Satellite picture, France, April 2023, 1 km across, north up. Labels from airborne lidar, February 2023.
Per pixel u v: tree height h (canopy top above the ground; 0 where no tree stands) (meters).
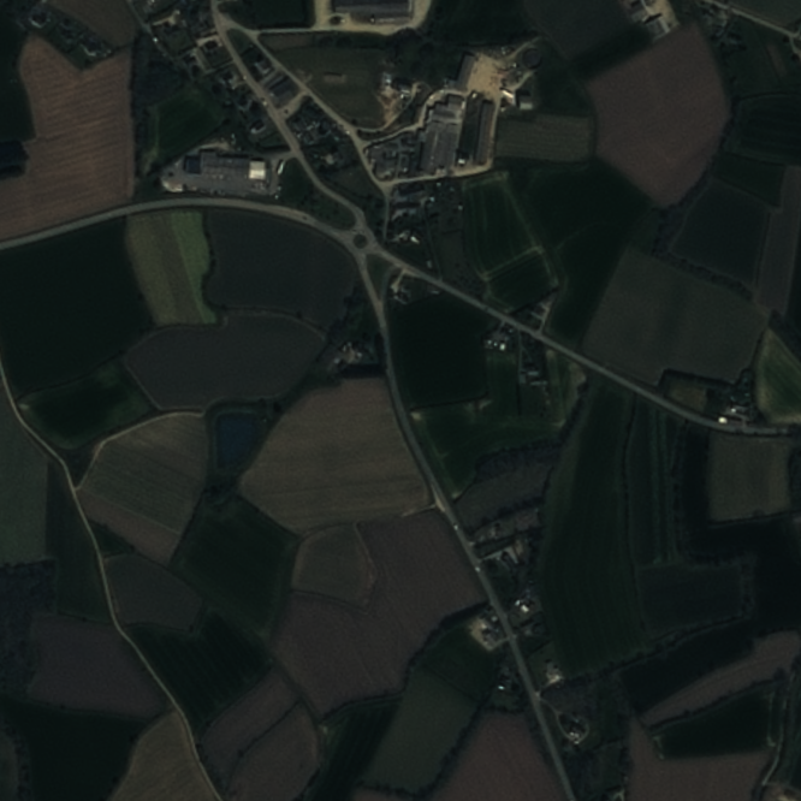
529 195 0
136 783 0
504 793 0
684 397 0
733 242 0
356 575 0
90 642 0
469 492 0
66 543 0
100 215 0
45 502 0
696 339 0
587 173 0
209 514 0
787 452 0
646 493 0
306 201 5
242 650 0
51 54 0
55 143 0
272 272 0
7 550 0
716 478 0
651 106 0
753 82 0
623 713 9
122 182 0
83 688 0
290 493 0
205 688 0
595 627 0
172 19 0
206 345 0
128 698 0
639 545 0
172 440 0
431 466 0
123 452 0
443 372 0
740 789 0
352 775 0
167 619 0
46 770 0
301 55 0
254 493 0
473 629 0
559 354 0
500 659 6
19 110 0
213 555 0
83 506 0
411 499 0
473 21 0
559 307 0
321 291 0
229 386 0
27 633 13
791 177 0
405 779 0
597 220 0
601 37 0
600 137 0
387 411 0
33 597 16
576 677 0
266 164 0
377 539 0
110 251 0
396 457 0
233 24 0
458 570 0
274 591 0
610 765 0
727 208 0
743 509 0
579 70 0
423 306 0
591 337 0
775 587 0
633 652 0
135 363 0
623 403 0
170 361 0
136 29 0
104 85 0
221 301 0
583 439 0
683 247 0
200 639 0
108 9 0
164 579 0
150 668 0
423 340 0
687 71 0
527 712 10
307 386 0
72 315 0
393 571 0
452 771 7
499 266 0
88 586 0
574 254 0
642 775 0
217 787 14
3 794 0
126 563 0
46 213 0
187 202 0
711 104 0
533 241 0
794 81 0
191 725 0
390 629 0
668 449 0
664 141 0
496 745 0
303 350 0
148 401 0
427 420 0
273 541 0
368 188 0
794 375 0
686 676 0
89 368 0
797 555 0
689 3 0
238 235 0
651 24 0
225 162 0
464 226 0
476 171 0
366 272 0
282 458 0
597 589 0
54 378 0
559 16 0
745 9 0
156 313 0
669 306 0
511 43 8
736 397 11
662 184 0
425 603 0
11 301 0
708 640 0
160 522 0
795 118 0
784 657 0
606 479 0
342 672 0
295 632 0
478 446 0
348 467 0
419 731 0
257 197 0
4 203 0
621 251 0
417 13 0
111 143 0
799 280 0
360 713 0
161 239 0
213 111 0
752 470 0
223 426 0
